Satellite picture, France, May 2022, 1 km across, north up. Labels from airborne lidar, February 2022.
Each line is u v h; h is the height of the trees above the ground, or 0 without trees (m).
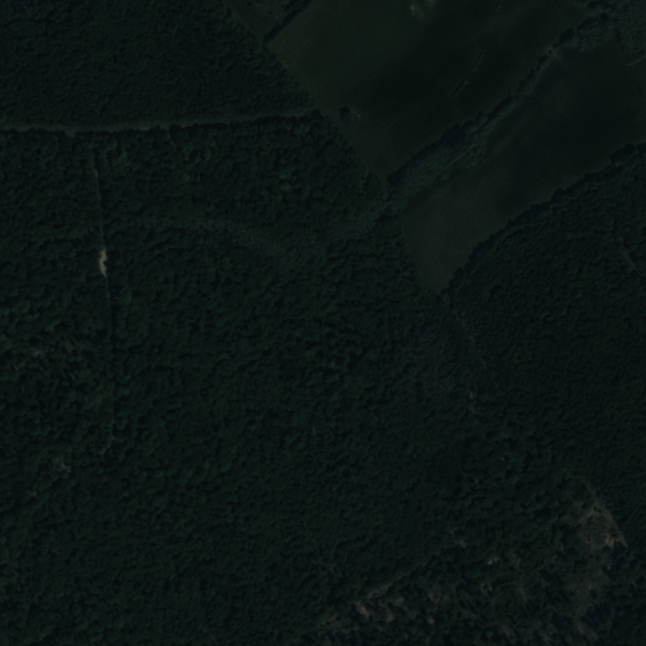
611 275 24
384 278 27
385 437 25
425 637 20
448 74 0
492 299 16
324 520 26
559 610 34
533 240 22
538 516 33
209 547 24
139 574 26
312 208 25
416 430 25
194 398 27
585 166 0
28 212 24
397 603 0
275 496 22
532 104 0
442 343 20
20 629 26
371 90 0
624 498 20
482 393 25
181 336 29
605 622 33
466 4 0
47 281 30
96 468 29
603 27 19
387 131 0
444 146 24
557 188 0
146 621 27
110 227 17
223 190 23
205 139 24
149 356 25
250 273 26
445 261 0
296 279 20
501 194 0
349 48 0
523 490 32
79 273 29
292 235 26
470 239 0
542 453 33
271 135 17
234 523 22
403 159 0
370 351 27
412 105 0
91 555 25
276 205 27
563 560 23
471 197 0
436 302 18
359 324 24
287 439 20
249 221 26
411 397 23
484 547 6
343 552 25
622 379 23
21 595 32
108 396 28
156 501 29
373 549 24
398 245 27
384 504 24
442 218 0
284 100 24
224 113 22
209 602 21
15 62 24
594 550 0
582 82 0
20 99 26
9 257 27
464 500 25
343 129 0
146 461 27
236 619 23
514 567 31
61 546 24
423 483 22
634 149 17
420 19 0
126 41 27
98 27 25
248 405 24
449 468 20
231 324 21
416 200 0
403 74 0
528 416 27
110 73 24
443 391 23
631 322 23
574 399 24
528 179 0
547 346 23
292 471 21
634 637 24
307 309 24
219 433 23
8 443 30
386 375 24
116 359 27
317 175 28
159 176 26
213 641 22
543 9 0
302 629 25
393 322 27
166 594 25
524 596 0
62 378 30
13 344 28
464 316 12
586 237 24
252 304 24
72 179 24
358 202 24
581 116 0
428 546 23
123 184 26
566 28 0
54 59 23
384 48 0
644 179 24
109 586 24
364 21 0
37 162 23
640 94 0
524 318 23
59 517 22
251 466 23
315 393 27
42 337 29
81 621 33
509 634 0
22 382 29
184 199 26
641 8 22
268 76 25
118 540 23
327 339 26
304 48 0
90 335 0
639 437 24
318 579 27
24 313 31
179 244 27
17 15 23
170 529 30
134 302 25
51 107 25
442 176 15
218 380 21
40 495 29
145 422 28
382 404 25
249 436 22
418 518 21
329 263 22
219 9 25
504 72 0
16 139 24
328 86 0
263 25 0
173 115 22
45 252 28
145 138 20
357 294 23
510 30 0
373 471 24
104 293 26
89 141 22
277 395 20
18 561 30
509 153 0
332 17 0
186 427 25
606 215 23
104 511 26
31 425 30
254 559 23
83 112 21
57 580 24
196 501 28
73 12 21
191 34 24
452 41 0
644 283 25
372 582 33
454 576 30
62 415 12
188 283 25
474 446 27
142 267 27
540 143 0
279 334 24
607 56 0
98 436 29
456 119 0
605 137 0
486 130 18
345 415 26
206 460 26
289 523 21
